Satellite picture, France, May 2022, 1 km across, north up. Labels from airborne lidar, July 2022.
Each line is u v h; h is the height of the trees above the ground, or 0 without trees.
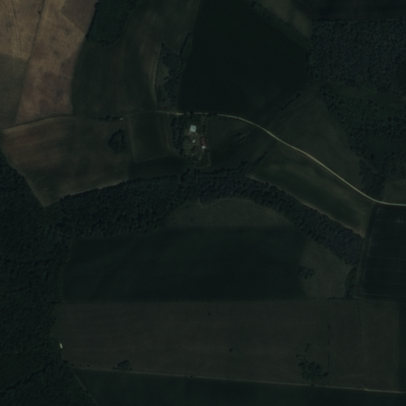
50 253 18
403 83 20
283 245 0
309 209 6
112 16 16
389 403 0
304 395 0
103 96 0
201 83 0
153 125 0
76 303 0
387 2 0
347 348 0
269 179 0
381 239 0
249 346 0
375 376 0
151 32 0
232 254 0
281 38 0
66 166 0
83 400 19
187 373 0
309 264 0
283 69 0
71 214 19
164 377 0
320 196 0
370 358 0
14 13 0
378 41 7
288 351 0
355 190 0
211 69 0
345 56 21
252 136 0
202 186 15
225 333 0
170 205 17
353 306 0
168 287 0
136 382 0
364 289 0
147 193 21
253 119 0
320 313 0
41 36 0
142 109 0
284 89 0
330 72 19
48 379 24
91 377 0
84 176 0
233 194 9
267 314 0
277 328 0
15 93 0
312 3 0
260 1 0
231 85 0
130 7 15
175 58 14
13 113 0
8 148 0
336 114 6
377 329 0
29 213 23
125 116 0
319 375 11
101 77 0
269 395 0
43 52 0
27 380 10
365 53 19
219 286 0
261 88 0
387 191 0
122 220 17
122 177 0
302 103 0
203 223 0
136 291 0
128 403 0
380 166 10
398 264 0
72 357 0
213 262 0
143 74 0
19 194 21
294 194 0
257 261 0
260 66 0
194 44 0
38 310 23
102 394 0
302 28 0
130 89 0
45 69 0
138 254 0
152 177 0
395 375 0
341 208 0
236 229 0
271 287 0
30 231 25
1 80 0
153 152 0
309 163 0
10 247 21
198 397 0
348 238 14
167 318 0
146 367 0
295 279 0
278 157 0
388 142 11
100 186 0
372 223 0
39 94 0
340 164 0
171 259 0
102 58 0
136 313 0
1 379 13
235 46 0
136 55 0
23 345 15
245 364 0
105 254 0
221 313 0
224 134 0
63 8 0
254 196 17
